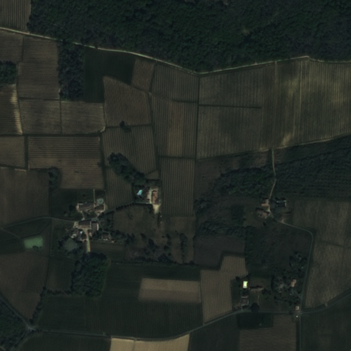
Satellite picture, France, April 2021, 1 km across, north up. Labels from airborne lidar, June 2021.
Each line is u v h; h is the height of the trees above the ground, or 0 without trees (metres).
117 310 0
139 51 10
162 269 0
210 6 14
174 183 0
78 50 17
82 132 0
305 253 0
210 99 0
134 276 0
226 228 7
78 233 0
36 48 0
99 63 0
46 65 0
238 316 0
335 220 0
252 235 8
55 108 0
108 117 0
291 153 8
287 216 0
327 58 16
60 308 0
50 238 0
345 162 7
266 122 0
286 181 11
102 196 0
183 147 0
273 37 20
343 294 0
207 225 8
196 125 0
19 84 0
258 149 0
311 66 0
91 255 0
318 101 0
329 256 0
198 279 0
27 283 0
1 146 0
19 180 0
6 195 0
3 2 0
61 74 16
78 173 0
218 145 0
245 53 20
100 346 0
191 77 0
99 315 0
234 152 0
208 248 0
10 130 0
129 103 0
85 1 20
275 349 0
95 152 0
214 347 0
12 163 0
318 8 25
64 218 0
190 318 0
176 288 0
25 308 0
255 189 18
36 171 0
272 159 0
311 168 9
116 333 0
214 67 13
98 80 0
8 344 8
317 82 0
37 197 0
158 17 27
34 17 19
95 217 0
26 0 0
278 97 0
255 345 0
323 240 0
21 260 0
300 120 0
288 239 0
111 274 0
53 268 0
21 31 0
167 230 0
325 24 21
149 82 0
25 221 0
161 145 0
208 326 0
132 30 23
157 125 0
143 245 0
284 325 0
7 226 0
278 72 0
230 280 0
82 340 0
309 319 0
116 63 0
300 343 0
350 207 0
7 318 17
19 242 0
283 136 0
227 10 18
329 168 8
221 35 24
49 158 0
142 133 0
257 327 0
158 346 0
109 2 24
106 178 0
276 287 7
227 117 0
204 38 26
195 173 0
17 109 0
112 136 0
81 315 0
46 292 11
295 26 20
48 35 14
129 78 0
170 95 0
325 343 0
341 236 0
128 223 0
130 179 27
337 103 0
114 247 0
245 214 6
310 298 0
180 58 12
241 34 18
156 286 0
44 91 0
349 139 6
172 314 0
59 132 0
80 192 0
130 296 0
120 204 0
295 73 0
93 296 18
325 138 0
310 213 0
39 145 0
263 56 19
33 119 0
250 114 0
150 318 0
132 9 27
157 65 0
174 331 0
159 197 0
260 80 0
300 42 11
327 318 0
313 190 8
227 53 23
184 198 0
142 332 0
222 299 0
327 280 0
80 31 20
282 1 14
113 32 14
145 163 0
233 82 0
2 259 0
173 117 0
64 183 0
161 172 0
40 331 12
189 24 24
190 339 0
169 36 25
